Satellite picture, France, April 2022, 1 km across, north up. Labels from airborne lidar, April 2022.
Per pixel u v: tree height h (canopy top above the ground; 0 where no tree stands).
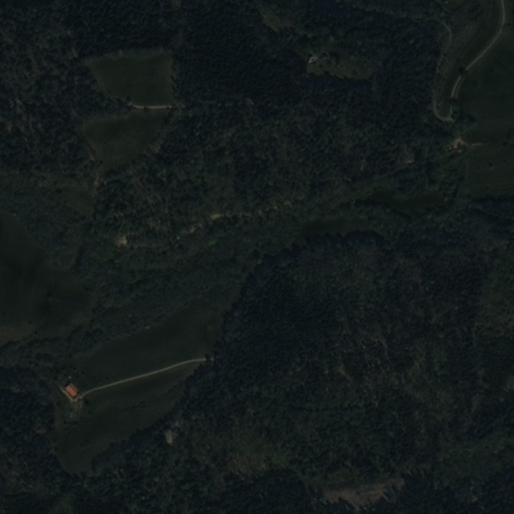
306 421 23
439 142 28
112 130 0
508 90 0
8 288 0
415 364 25
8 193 30
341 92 29
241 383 25
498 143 0
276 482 30
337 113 27
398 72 40
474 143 0
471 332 29
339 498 0
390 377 24
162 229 22
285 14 27
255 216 25
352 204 12
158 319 7
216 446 24
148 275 18
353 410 26
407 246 35
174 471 10
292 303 23
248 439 21
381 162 27
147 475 14
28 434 33
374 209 26
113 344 0
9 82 35
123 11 35
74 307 0
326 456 19
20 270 0
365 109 24
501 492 32
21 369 0
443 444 21
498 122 0
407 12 28
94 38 22
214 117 26
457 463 29
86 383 0
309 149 29
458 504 35
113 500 16
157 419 0
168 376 0
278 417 24
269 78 33
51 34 30
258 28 24
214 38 31
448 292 29
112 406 0
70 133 13
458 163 7
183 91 20
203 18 38
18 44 32
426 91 32
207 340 0
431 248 33
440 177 23
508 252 12
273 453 23
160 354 0
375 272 26
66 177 16
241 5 33
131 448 20
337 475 28
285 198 10
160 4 34
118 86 0
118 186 20
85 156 21
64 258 28
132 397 0
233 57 33
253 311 23
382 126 25
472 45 0
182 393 0
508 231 29
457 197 16
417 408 26
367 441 25
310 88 37
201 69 24
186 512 17
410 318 27
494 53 0
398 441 22
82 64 20
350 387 23
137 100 0
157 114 0
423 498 31
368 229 0
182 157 25
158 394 0
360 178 35
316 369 23
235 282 21
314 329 20
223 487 25
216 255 10
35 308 0
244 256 22
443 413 31
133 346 0
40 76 9
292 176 36
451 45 14
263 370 24
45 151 30
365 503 0
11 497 11
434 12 19
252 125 23
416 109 35
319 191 25
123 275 27
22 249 0
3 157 17
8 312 0
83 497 15
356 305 24
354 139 21
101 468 18
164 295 26
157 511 26
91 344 25
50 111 31
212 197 23
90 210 0
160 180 11
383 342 0
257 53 27
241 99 33
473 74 0
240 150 25
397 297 28
